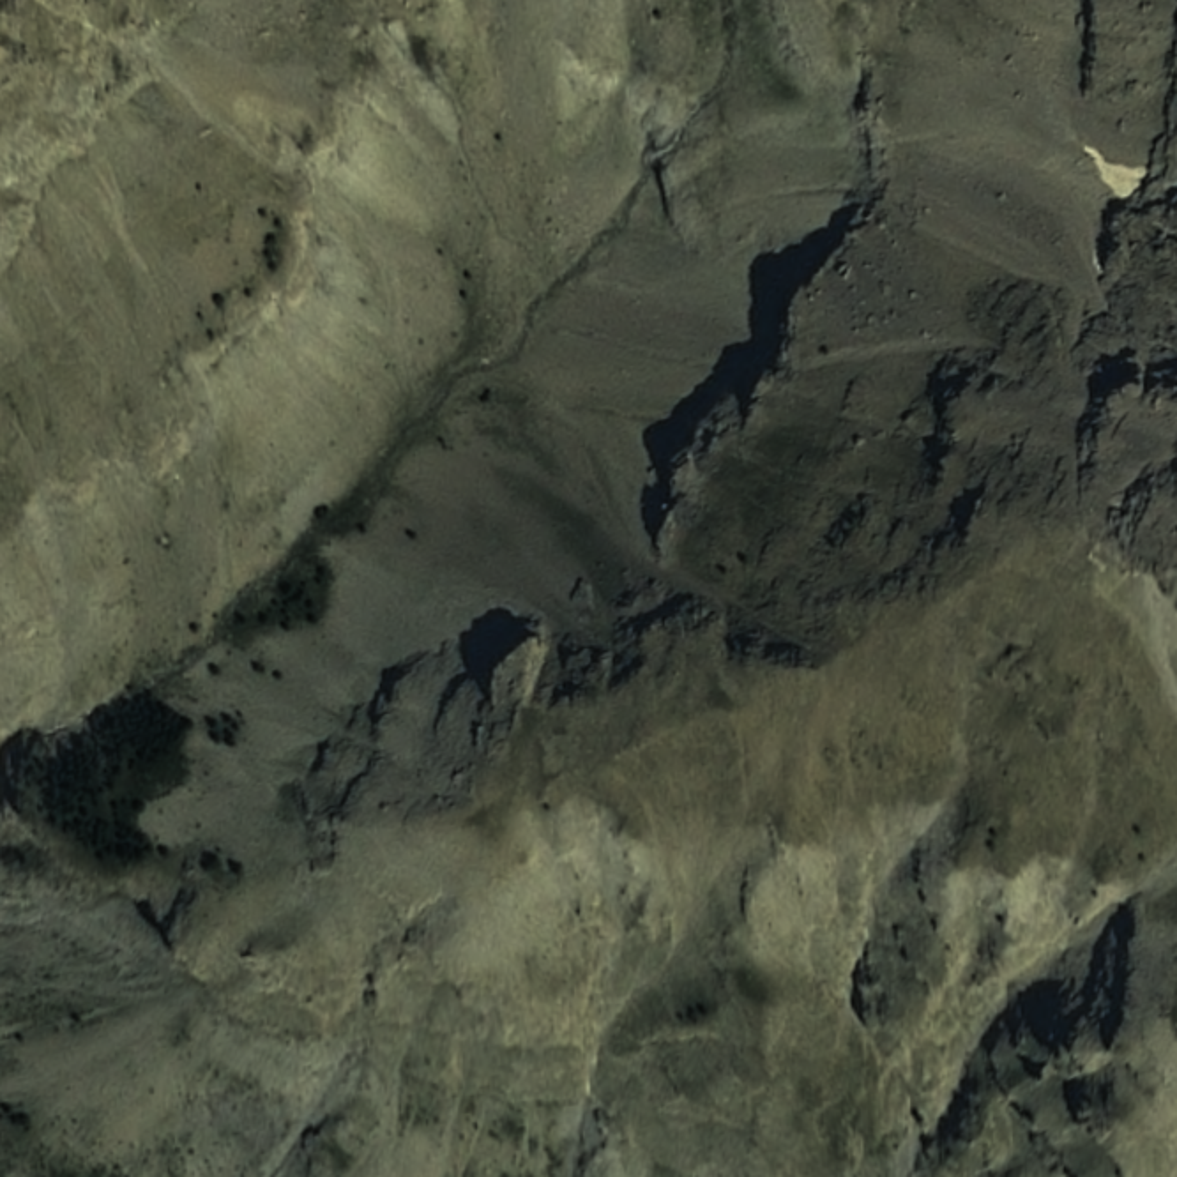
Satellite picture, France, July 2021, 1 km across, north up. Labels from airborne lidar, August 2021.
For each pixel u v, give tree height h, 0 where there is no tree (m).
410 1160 0
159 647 0
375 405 0
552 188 0
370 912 0
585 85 0
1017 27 0
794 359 0
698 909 0
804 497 0
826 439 0
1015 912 0
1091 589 0
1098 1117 0
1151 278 0
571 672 0
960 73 0
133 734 9
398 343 0
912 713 0
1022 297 0
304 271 0
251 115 0
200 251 0
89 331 0
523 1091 0
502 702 0
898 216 0
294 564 0
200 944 0
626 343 0
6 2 0
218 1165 0
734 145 0
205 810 0
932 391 0
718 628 0
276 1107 0
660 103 0
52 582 0
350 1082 0
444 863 0
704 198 0
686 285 0
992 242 0
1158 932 0
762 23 0
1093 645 0
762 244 0
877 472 0
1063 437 0
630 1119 0
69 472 0
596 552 0
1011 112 0
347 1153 0
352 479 0
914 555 0
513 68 0
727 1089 0
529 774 0
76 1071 0
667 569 0
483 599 0
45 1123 0
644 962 0
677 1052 0
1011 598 0
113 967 0
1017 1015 0
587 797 0
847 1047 0
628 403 0
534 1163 0
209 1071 0
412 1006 0
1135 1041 0
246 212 0
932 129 0
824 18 0
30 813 0
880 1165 0
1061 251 0
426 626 0
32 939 0
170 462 0
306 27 0
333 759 0
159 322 0
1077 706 0
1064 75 0
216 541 0
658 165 0
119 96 0
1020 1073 0
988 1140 0
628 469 0
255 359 0
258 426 0
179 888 0
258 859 0
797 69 0
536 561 0
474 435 0
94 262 0
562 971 0
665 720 0
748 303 0
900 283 0
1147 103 0
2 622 0
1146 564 0
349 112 0
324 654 0
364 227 0
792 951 0
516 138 0
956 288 0
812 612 0
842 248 0
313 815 0
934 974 0
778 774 0
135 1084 0
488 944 0
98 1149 0
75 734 0
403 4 0
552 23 0
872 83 0
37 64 0
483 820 0
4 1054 0
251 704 0
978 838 0
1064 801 0
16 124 0
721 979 0
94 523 0
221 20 0
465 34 0
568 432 0
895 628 0
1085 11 0
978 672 0
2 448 0
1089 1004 0
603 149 0
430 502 0
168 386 0
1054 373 0
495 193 0
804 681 0
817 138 0
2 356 0
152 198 0
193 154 0
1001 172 0
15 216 0
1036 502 0
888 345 0
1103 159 0
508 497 0
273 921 0
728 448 0
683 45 0
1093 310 0
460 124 0
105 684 0
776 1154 0
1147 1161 0
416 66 0
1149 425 0
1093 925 0
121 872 0
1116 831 0
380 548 0
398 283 0
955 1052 0
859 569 0
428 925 0
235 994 0
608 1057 0
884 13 0
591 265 0
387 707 0
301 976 0
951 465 0
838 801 0
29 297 0
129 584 0
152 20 0
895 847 0
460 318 0
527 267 0
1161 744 0
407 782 0
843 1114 0
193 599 0
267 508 0
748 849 0
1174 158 0
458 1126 0
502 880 0
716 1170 0
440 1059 0
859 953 0
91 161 0
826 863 0
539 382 0
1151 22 0
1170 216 0
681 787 0
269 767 0
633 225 0
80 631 0
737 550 0
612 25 0
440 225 0
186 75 0
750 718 0
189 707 0
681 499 0
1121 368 0
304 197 0
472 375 0
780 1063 0
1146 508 0
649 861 0
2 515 0
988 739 0
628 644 0
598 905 0
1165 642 0
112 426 0
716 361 0
